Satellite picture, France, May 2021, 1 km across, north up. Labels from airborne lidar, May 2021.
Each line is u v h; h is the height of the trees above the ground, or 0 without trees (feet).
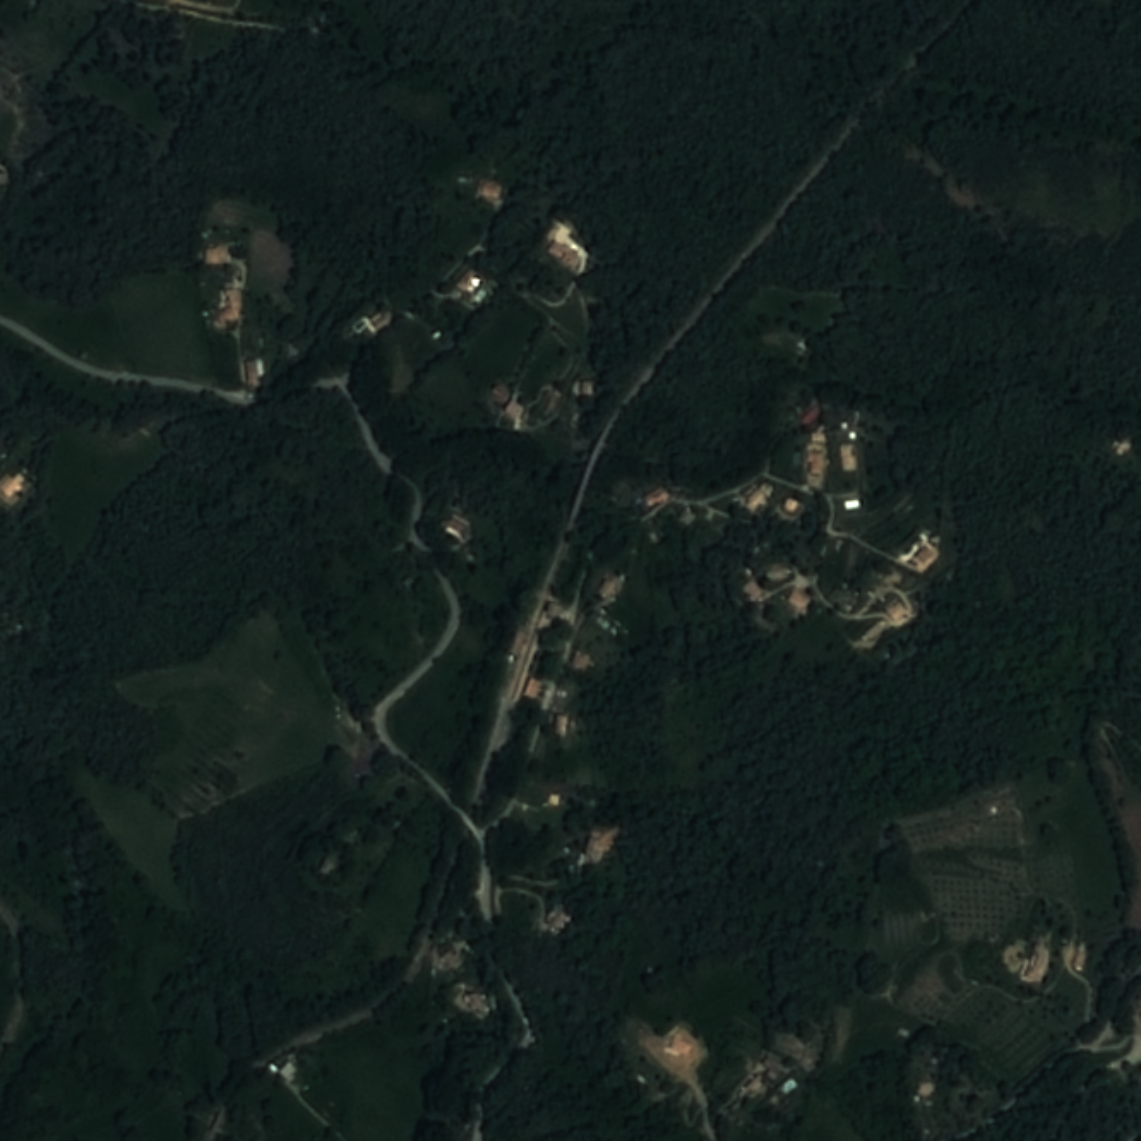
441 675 0
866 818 37
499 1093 54
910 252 37
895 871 65
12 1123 56
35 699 60
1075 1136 30
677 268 49
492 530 0
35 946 52
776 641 39
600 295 64
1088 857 0
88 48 33
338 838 32
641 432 48
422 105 0
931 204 20
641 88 35
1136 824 0
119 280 49
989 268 69
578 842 22
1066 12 54
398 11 23
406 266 44
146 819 0
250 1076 37
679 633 48
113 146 38
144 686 0
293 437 44
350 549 22
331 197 60
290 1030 56
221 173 61
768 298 0
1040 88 26
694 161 31
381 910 0
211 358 0
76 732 41
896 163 22
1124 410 75
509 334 0
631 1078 27
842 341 52
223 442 49
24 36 0
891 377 28
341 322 38
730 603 44
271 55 54
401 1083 0
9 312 0
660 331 58
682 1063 0
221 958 33
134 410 64
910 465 25
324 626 47
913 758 56
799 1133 28
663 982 27
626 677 30
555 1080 34
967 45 47
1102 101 43
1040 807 26
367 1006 45
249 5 0
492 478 24
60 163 38
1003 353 53
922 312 25
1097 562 20
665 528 20
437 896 49
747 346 31
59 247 24
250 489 60
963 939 0
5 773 72
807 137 38
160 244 26
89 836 50
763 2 63
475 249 0
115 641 31
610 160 55
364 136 63
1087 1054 36
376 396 75
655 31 26
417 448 73
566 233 0
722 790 18
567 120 54
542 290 42
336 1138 24
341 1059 0
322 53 66
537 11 35
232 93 44
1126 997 37
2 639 34
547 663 68
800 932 46
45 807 77
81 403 51
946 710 39
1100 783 54
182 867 45
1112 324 30
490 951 45
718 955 57
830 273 27
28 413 42
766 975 30
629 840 28
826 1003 64
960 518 32
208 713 0
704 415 44
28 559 37
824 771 33
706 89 35
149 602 47
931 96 108
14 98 0
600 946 21
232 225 0
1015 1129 40
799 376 43
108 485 0
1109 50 35
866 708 34
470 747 37
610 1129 28
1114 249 24
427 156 28
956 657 22
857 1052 0
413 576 27
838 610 26
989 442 24
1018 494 25
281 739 0
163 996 24
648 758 38
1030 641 27
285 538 50
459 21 29
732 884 22
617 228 46
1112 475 27
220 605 25
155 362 0
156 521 36
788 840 39
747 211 33
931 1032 47
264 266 0
